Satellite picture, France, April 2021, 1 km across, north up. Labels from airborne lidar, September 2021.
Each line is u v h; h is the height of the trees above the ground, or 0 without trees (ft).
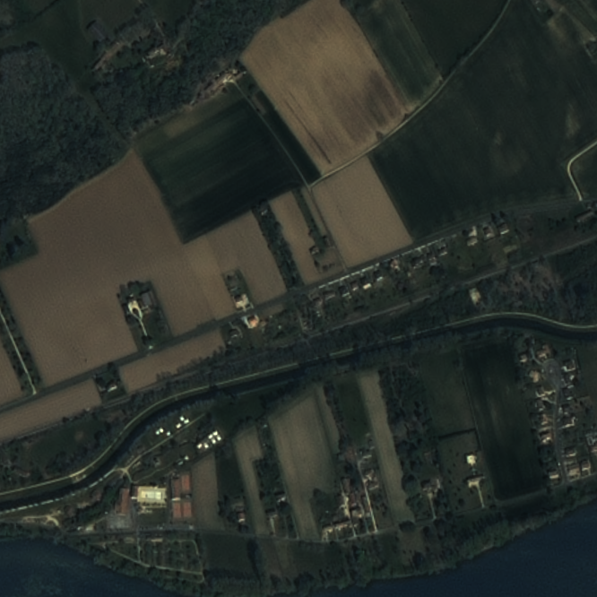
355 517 0
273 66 0
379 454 0
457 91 0
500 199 0
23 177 49
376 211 0
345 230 0
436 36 0
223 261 0
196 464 0
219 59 69
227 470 0
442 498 36
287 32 0
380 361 116
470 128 0
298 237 0
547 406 31
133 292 40
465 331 0
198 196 0
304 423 0
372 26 0
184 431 41
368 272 0
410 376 30
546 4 32
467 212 0
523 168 0
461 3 0
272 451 24
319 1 0
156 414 0
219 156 0
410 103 0
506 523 82
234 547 0
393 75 0
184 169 0
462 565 0
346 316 28
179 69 33
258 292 0
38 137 55
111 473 0
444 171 0
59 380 0
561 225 29
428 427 32
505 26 0
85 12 0
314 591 55
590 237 0
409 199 0
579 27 0
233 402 27
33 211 26
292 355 71
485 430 0
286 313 26
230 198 0
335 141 0
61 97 84
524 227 0
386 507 20
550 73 0
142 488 0
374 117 0
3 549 0
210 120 0
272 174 0
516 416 0
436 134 0
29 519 0
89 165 55
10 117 74
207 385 72
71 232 0
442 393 0
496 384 0
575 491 41
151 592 0
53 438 0
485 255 0
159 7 0
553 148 0
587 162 0
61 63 0
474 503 0
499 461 0
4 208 59
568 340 0
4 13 0
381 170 0
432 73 0
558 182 0
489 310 91
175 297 0
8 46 0
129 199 0
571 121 0
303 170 0
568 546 0
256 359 75
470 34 0
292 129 0
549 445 24
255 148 0
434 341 109
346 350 73
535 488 0
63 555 0
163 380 54
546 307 36
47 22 0
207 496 0
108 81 49
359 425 0
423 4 0
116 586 0
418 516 43
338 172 0
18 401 0
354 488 51
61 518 0
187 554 22
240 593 114
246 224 0
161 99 65
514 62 0
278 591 92
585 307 120
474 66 0
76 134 64
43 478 22
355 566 72
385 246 0
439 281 27
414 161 0
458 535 56
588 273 23
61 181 53
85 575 0
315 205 0
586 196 0
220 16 59
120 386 30
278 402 82
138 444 76
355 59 0
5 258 52
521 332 0
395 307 0
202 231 0
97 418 45
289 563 0
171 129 0
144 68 42
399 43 0
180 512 0
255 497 0
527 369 32
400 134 0
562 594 0
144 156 0
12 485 48
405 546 0
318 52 0
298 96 0
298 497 0
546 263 67
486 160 0
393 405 37
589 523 0
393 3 0
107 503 38
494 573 0
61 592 0
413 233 0
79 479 0
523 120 0
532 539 0
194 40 59
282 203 0
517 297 25
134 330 0
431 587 0
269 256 0
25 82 88
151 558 29
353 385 0
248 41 62
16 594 0
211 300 0
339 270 0
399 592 0
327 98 0
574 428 19
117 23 0
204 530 0
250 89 24
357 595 0
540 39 0
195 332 0
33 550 0
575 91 0
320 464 0
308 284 0
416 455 82
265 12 61
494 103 0
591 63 0
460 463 0
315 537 0
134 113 85
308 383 86
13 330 37
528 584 0
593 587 0
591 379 0
